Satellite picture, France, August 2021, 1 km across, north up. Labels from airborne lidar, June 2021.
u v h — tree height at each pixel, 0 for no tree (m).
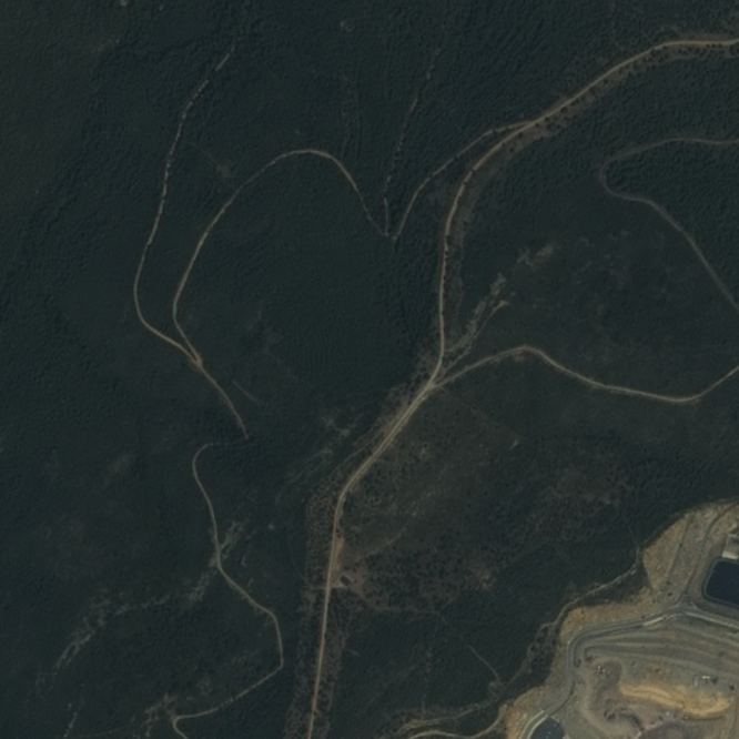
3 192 6
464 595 6
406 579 5
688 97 6
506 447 0
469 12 9
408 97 11
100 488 0
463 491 0
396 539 0
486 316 0
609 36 7
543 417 0
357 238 7
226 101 7
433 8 10
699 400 0
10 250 8
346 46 7
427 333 6
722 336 5
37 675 0
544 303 0
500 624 5
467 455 0
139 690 0
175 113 6
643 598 0
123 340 0
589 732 0
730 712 0
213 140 7
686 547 0
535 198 8
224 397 0
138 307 0
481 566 0
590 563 5
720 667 0
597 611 0
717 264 7
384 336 6
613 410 0
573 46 7
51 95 6
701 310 0
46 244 8
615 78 0
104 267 0
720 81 7
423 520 0
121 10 12
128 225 0
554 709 0
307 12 8
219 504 0
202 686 0
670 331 0
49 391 6
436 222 8
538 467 0
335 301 6
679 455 6
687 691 0
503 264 0
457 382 0
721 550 0
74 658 0
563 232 0
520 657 6
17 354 6
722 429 0
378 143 11
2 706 0
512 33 8
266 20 10
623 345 0
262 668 6
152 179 6
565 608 0
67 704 0
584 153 7
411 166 6
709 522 0
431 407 0
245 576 0
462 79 6
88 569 0
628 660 0
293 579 0
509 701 0
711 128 6
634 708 0
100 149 6
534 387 0
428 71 8
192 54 8
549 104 8
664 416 0
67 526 0
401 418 0
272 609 0
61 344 6
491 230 8
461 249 6
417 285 9
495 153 0
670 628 0
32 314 6
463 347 0
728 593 0
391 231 7
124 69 11
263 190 5
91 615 0
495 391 0
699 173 9
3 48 6
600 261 0
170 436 0
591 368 0
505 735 0
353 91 7
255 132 6
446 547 6
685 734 0
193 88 11
